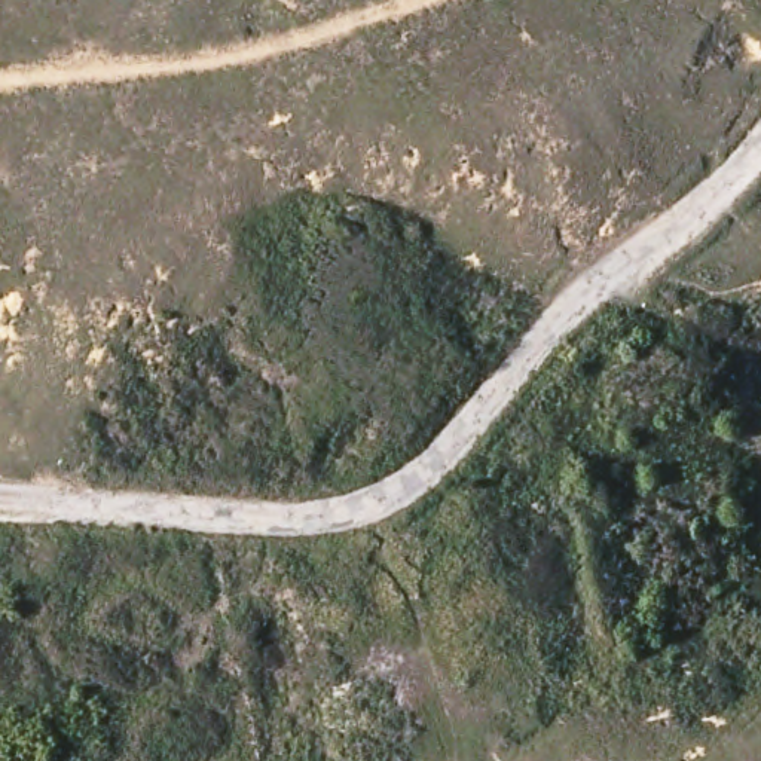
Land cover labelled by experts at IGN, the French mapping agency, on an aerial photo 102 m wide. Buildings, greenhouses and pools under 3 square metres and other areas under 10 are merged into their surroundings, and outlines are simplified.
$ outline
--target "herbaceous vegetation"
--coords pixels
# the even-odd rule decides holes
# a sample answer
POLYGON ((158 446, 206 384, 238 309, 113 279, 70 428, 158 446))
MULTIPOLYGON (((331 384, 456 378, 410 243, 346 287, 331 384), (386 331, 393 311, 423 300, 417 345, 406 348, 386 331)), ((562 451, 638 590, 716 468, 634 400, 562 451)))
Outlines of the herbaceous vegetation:
POLYGON ((731 18, 731 30, 743 42, 752 36, 761 42, 761 0, 734 0, 725 12, 731 18))
POLYGON ((24 282, 24 253, 27 247, 36 247, 36 268, 51 273, 51 288, 56 288, 65 297, 65 303, 74 309, 74 318, 89 312, 89 297, 125 297, 137 306, 155 306, 163 318, 175 318, 175 342, 172 357, 166 363, 146 363, 140 354, 131 351, 131 345, 113 342, 107 330, 98 324, 77 327, 74 360, 65 360, 54 348, 51 333, 39 336, 39 342, 27 342, 24 360, 15 369, 6 369, 6 342, 0 339, 0 482, 65 476, 62 458, 68 449, 77 446, 74 419, 86 410, 86 425, 98 434, 95 455, 107 458, 113 473, 140 473, 143 464, 161 461, 161 467, 169 470, 172 488, 178 493, 247 502, 309 502, 378 485, 413 458, 419 458, 452 422, 452 416, 476 395, 476 389, 508 363, 508 357, 499 351, 496 342, 479 342, 464 318, 470 306, 482 300, 482 294, 493 297, 499 291, 499 279, 485 268, 470 268, 467 262, 461 262, 455 253, 446 250, 446 244, 437 235, 431 241, 422 241, 416 235, 395 241, 389 235, 386 214, 372 208, 375 199, 357 193, 357 184, 363 169, 363 152, 381 149, 383 125, 398 125, 401 131, 410 131, 410 140, 422 155, 416 178, 425 184, 431 181, 431 175, 449 175, 461 163, 470 163, 482 175, 499 175, 505 181, 508 163, 535 161, 529 131, 547 128, 553 131, 553 137, 565 137, 568 122, 577 113, 589 113, 595 134, 603 134, 615 125, 606 116, 606 110, 612 104, 621 104, 624 95, 639 92, 645 95, 645 101, 672 101, 675 95, 681 95, 681 74, 693 62, 693 51, 702 33, 707 30, 713 15, 722 12, 722 0, 446 0, 440 6, 428 6, 398 21, 360 27, 342 39, 288 51, 279 56, 265 56, 250 65, 0 92, 0 297, 12 294, 24 282))
POLYGON ((618 342, 624 342, 633 351, 642 342, 642 330, 630 330, 624 336, 618 327, 618 309, 624 306, 624 300, 612 297, 600 303, 580 327, 562 336, 550 357, 517 389, 511 404, 476 440, 473 452, 452 473, 446 473, 440 485, 422 493, 413 505, 369 526, 318 535, 232 535, 146 523, 0 523, 0 761, 761 761, 761 713, 746 725, 734 728, 725 722, 725 716, 705 716, 690 731, 678 725, 672 716, 663 722, 648 722, 648 716, 621 716, 624 699, 630 699, 624 666, 636 657, 627 645, 630 630, 621 621, 609 624, 603 618, 606 636, 586 639, 586 606, 577 589, 577 571, 568 562, 568 547, 559 541, 559 535, 550 532, 547 514, 535 514, 520 493, 526 485, 526 470, 511 461, 511 428, 535 425, 535 416, 544 410, 547 389, 565 381, 574 360, 580 360, 586 351, 603 357, 606 363, 609 357, 615 357, 618 342), (404 654, 404 663, 375 681, 357 666, 366 660, 372 645, 404 654))
POLYGON ((354 12, 381 0, 0 0, 0 68, 59 59, 71 51, 83 51, 86 42, 95 45, 95 51, 107 51, 113 56, 178 56, 202 48, 223 48, 235 42, 312 27, 342 12, 354 12))

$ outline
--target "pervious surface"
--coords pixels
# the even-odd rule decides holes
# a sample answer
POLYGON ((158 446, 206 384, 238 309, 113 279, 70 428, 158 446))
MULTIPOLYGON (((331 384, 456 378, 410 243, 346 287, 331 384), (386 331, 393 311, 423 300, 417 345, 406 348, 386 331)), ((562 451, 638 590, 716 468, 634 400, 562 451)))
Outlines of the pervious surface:
POLYGON ((107 51, 95 51, 95 45, 86 42, 83 51, 71 51, 59 59, 0 68, 0 92, 250 65, 265 56, 279 56, 288 51, 342 39, 360 27, 398 21, 428 6, 440 6, 446 0, 381 0, 354 12, 342 12, 312 27, 235 42, 223 48, 202 48, 178 56, 113 56, 107 51))
POLYGON ((369 526, 413 505, 422 493, 440 485, 446 473, 452 473, 473 452, 476 440, 511 404, 517 389, 550 357, 562 336, 580 327, 600 303, 612 297, 624 300, 627 300, 636 288, 648 285, 648 279, 675 253, 681 253, 687 244, 696 244, 734 205, 737 196, 743 196, 761 178, 761 131, 749 131, 743 146, 722 166, 716 166, 693 193, 687 193, 660 217, 648 220, 603 262, 580 273, 544 309, 532 330, 520 339, 520 348, 508 357, 508 363, 476 389, 476 395, 452 416, 452 422, 419 458, 413 458, 378 485, 309 502, 247 502, 178 493, 107 493, 86 485, 83 470, 65 476, 0 482, 0 523, 146 523, 232 535, 318 535, 369 526))

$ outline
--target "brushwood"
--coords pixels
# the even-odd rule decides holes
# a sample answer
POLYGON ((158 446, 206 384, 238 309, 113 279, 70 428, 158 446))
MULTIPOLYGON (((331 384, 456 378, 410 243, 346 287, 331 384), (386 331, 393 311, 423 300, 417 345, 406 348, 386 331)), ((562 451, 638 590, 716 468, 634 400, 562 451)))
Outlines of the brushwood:
POLYGON ((428 217, 386 199, 375 199, 372 208, 386 214, 389 235, 395 241, 416 235, 422 241, 431 241, 437 235, 428 217))
POLYGON ((499 291, 493 297, 482 294, 482 300, 470 306, 464 318, 479 342, 496 342, 499 351, 508 357, 520 348, 520 339, 532 330, 544 309, 532 294, 514 291, 511 282, 499 279, 499 291))
POLYGON ((74 419, 77 446, 68 449, 62 458, 65 476, 83 470, 86 485, 107 493, 178 493, 172 488, 169 470, 161 467, 161 461, 143 464, 140 473, 113 473, 107 458, 95 455, 98 434, 86 425, 86 410, 74 419))
POLYGON ((693 288, 678 288, 678 303, 690 303, 699 309, 696 321, 660 318, 657 312, 639 309, 627 300, 624 300, 624 306, 618 309, 618 327, 624 336, 630 330, 642 330, 642 342, 633 351, 624 342, 618 342, 615 357, 609 357, 606 363, 603 357, 586 351, 580 360, 574 360, 565 381, 547 389, 544 410, 535 416, 535 425, 511 428, 511 461, 526 470, 526 485, 520 493, 535 514, 547 514, 550 532, 559 535, 559 541, 568 547, 568 562, 577 571, 577 589, 586 606, 586 639, 606 636, 603 618, 609 624, 621 621, 630 630, 627 645, 636 657, 624 666, 630 699, 624 699, 621 716, 648 716, 648 722, 663 722, 672 716, 678 725, 690 731, 705 716, 725 716, 725 722, 734 728, 746 725, 761 713, 761 324, 749 324, 746 306, 740 300, 707 297, 693 288))

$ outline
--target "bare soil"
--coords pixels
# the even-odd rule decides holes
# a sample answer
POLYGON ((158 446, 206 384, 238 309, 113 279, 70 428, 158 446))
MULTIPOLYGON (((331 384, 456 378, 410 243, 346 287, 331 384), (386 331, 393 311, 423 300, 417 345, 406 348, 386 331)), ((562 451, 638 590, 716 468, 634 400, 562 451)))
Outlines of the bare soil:
POLYGON ((648 220, 660 217, 687 193, 693 193, 716 166, 722 166, 743 146, 749 131, 761 131, 761 42, 752 36, 743 42, 731 30, 731 18, 725 12, 734 0, 722 0, 722 12, 713 15, 707 30, 702 33, 693 51, 693 62, 681 74, 681 95, 675 95, 672 101, 645 101, 645 95, 639 92, 624 95, 621 104, 612 104, 606 110, 606 116, 615 125, 603 134, 595 134, 589 113, 577 113, 568 122, 565 137, 553 137, 553 131, 547 128, 529 131, 535 161, 508 163, 505 181, 499 175, 482 175, 470 163, 461 163, 449 175, 431 175, 431 181, 425 184, 416 178, 422 155, 410 140, 410 131, 401 131, 398 125, 383 125, 381 149, 363 152, 363 169, 357 184, 357 193, 375 199, 386 199, 428 217, 437 235, 446 244, 446 250, 455 253, 461 262, 467 262, 470 268, 485 268, 499 279, 511 282, 514 291, 532 294, 544 309, 580 273, 603 262, 648 220))
POLYGON ((737 196, 734 205, 696 244, 687 244, 681 253, 675 253, 648 279, 648 285, 636 288, 627 300, 639 309, 657 312, 660 318, 696 321, 699 309, 690 303, 678 303, 678 288, 693 288, 707 297, 740 300, 746 306, 749 324, 761 324, 761 178, 743 196, 737 196))
POLYGON ((98 324, 107 330, 113 342, 131 345, 131 351, 140 354, 146 363, 166 363, 172 357, 175 342, 175 318, 163 318, 155 306, 137 306, 125 297, 89 297, 89 312, 74 318, 74 309, 65 303, 65 297, 56 288, 51 288, 51 273, 36 268, 36 247, 27 247, 24 253, 24 282, 12 294, 0 297, 0 339, 6 342, 6 369, 15 369, 24 360, 27 342, 39 342, 39 336, 51 333, 54 348, 65 360, 74 360, 77 327, 98 324))
POLYGON ((404 654, 372 645, 366 660, 357 666, 375 681, 404 663, 404 654))

